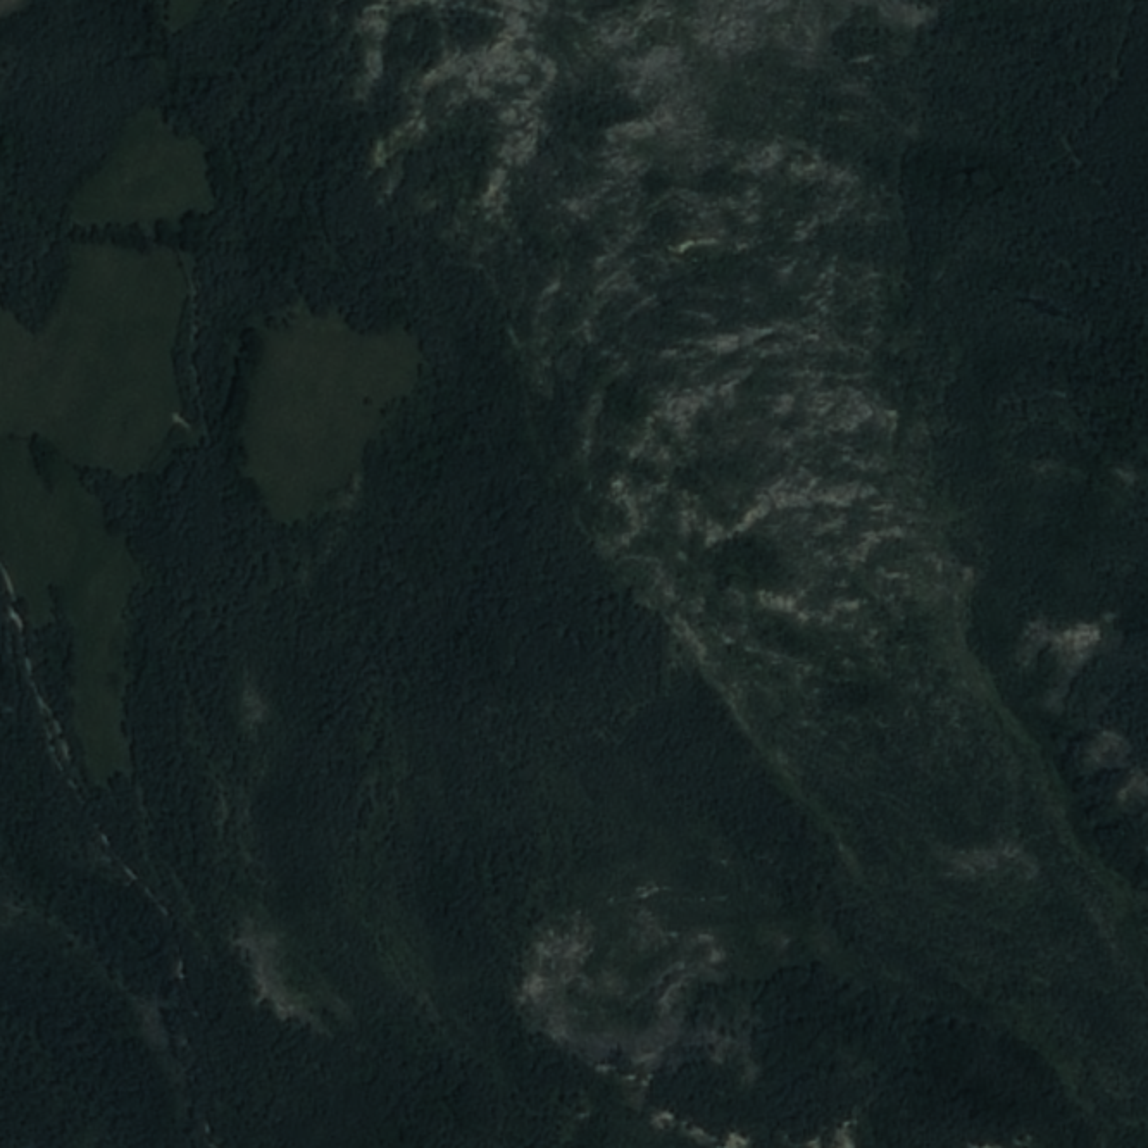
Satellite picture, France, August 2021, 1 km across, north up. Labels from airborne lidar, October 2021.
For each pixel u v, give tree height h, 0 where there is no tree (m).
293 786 10
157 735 13
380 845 8
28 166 14
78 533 0
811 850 12
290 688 8
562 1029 0
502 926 8
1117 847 17
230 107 11
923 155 9
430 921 6
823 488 0
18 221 10
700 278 6
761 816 10
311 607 11
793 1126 11
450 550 7
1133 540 7
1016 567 7
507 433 10
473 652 11
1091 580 8
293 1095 5
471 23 9
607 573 7
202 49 8
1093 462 8
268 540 10
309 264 13
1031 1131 10
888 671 5
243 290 9
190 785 7
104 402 0
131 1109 15
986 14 12
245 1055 14
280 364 0
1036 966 7
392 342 0
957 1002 9
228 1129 12
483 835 8
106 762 0
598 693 9
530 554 12
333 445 0
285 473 0
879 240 6
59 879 7
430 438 10
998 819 6
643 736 8
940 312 8
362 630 10
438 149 8
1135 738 8
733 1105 9
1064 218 12
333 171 11
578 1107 7
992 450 7
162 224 13
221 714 9
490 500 14
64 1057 18
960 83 7
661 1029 0
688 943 0
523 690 9
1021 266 10
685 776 7
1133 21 10
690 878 6
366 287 8
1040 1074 15
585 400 6
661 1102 8
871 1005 13
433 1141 7
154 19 15
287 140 7
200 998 15
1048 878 6
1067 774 12
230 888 6
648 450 0
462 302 8
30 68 9
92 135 7
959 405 7
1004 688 6
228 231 14
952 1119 9
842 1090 7
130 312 0
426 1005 6
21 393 0
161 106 7
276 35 13
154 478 8
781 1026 9
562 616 13
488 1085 12
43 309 9
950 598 0
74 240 9
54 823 8
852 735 7
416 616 10
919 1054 15
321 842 7
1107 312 17
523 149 0
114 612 0
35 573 0
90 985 10
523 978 8
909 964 7
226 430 14
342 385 0
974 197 11
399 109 8
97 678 0
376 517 8
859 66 9
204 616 13
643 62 0
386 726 6
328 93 8
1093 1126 8
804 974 14
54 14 11
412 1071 11
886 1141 12
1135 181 14
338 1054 8
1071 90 15
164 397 0
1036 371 11
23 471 0
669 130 0
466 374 10
